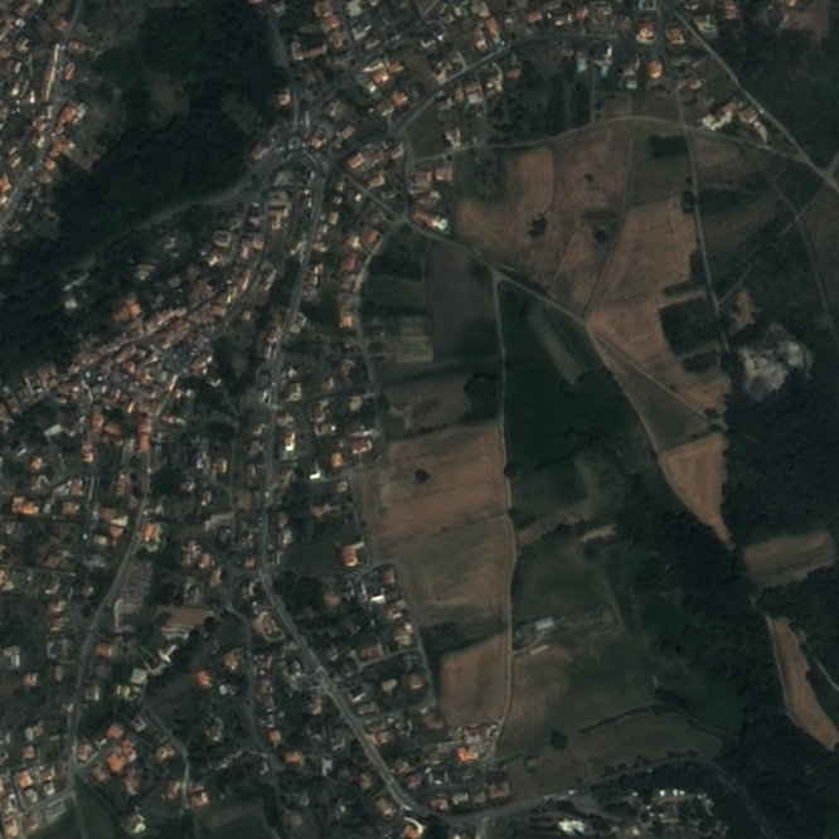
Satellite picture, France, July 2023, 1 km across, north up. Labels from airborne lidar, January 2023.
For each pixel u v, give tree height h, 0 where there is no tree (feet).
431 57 30
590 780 0
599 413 0
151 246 0
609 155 0
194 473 0
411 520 0
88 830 0
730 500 36
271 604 0
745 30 20
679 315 25
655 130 0
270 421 0
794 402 67
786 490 62
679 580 22
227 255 0
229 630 0
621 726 0
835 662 45
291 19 26
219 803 0
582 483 0
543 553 0
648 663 0
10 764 0
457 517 0
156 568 31
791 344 0
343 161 24
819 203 0
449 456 0
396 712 0
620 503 0
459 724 0
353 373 29
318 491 0
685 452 0
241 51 34
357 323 0
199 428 0
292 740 30
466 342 0
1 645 28
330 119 19
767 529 18
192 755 24
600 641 0
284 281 30
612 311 0
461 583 0
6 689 0
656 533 37
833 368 29
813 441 45
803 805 59
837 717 18
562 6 22
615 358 0
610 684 0
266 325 37
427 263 0
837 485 38
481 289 0
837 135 23
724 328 27
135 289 24
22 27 0
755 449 36
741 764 54
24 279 73
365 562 0
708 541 69
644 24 0
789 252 21
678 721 0
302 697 21
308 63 32
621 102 0
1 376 22
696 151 0
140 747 0
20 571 0
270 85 54
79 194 52
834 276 0
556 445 0
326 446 0
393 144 28
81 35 0
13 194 0
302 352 21
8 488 0
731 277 31
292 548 23
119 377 0
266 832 0
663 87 20
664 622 0
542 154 0
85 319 20
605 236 28
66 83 28
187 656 52
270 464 0
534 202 0
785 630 0
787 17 0
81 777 0
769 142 23
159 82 0
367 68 0
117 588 0
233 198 0
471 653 0
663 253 0
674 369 0
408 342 0
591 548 0
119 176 81
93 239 37
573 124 21
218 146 49
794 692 0
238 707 0
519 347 0
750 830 20
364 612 34
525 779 0
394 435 0
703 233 0
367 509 0
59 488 0
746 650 67
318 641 36
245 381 19
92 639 0
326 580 0
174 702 25
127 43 0
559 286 0
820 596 19
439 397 0
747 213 0
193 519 22
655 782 34
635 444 0
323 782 46
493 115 28
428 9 0
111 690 36
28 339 51
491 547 0
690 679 0
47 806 0
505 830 0
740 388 54
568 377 0
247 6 46
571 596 0
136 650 0
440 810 21
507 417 0
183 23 63
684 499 0
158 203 28
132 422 0
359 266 0
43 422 0
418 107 0
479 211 0
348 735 30
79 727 0
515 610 0
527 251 0
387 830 0
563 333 0
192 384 44
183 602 24
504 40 0
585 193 0
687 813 44
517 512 24
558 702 0
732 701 0
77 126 0
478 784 0
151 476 22
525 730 0
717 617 72
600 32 0
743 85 28
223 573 18
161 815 0
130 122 40
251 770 29
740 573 52
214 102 53
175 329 0
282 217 0
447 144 35
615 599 0
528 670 0
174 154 75
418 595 0
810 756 69
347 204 20
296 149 0
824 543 0
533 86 39
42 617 0
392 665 19
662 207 0
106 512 0
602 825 46
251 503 0
